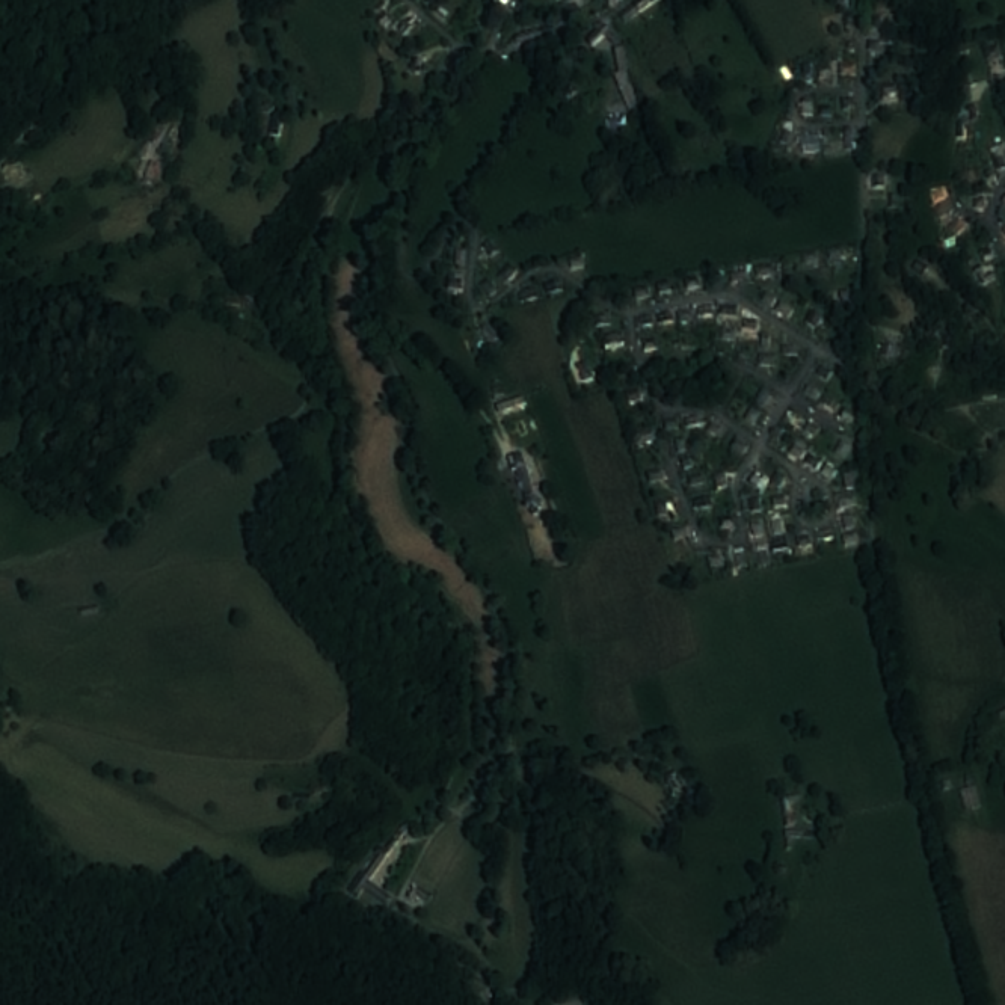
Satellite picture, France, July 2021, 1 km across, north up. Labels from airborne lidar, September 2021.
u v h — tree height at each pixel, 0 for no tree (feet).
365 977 90
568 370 30
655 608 0
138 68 49
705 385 79
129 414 80
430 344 78
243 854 0
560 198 0
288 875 0
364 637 119
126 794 0
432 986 68
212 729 0
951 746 0
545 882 92
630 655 0
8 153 61
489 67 80
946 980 0
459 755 49
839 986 0
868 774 0
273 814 0
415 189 46
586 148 0
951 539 0
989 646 0
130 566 0
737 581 0
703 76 39
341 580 92
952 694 0
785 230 0
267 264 69
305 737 0
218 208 0
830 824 54
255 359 0
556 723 0
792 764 49
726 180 77
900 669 80
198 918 118
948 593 0
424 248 38
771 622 0
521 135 56
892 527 0
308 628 57
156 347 0
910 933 0
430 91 51
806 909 0
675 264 0
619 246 0
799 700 0
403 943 96
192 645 0
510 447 0
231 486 0
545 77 96
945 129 48
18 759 0
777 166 33
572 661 0
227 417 0
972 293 81
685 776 52
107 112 0
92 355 70
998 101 30
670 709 0
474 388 60
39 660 0
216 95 0
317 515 118
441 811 50
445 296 44
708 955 0
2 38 84
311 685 0
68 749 0
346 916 128
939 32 98
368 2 0
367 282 53
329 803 32
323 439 0
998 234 0
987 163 21
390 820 79
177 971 58
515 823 104
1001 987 0
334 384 87
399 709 105
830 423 0
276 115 36
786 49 0
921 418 81
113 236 0
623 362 22
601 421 0
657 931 0
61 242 0
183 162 22
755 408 26
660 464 24
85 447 94
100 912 88
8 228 64
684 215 0
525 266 39
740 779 0
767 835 28
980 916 0
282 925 123
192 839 0
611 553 0
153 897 104
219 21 0
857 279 24
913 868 0
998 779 46
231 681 0
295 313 114
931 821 74
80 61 116
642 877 0
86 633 0
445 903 0
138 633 0
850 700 0
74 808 0
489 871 72
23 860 96
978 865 0
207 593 0
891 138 0
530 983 68
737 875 0
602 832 83
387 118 108
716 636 0
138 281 0
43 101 51
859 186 0
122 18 90
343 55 0
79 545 0
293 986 71
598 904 98
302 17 0
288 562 98
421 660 68
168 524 0
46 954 24
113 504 94
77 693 0
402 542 0
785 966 0
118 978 83
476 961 60
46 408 79
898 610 77
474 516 0
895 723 52
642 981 52
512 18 20
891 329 0
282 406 0
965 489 83
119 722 0
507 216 0
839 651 0
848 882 0
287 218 64
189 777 0
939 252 64
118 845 0
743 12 48
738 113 0
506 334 77
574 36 84
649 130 72
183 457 0
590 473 0
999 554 0
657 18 0
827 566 0
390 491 0
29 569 0
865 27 79
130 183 22
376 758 91
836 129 23
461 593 0
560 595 0
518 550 0
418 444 87
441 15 0
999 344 41
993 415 0
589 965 76
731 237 0
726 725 0
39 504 71
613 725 0
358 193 0
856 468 35
